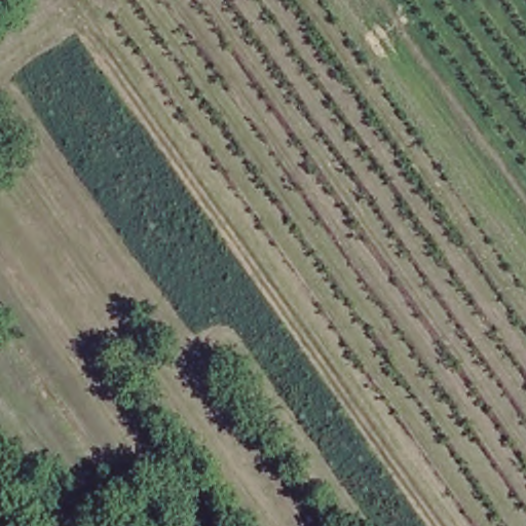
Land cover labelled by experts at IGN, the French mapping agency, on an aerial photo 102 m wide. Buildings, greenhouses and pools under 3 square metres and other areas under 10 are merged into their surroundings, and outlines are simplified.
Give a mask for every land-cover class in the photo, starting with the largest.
<instances>
[{"label":"herbaceous vegetation","instance_id":"1","mask_svg":"<svg viewBox=\"0 0 526 526\"><path fill-rule=\"evenodd\" d=\"M146 14L152 18V25H156L158 33L166 41L168 49L185 62L187 74L201 90V95L193 101L191 92L185 88V82L179 76V68L166 55H162V47L152 41L148 27L144 25V21L138 18L134 8L129 6V0H37L35 10L29 14V25L21 31H8L0 45V90H4L10 99L12 117H23L27 125L33 129L31 164L25 168L12 166L14 187L0 189V304L10 306V310L18 314L16 329L25 333V337L10 339L4 347H0V429L4 438H21L27 454L45 448L49 454H60L62 464L74 471V489L66 487L60 491L58 518H74L76 510L84 503L88 491L107 487L99 477V464H109L115 477H129L136 471L134 464L146 458L144 450L152 442V434L150 427L142 423L138 411L127 409L123 405L115 407L111 403L117 392L105 384V368L97 366V355L109 343H115L119 339L134 341L146 331L144 327L132 325V306L134 300H148L154 306L152 321L171 327L175 337L183 343V351L177 360V366H154L152 376L158 380L162 392L160 407L171 413H177L179 421L187 429L195 431V446H205L212 452V462L220 468L222 483L234 487L238 505L251 510L257 516L259 526H323L318 510L308 503V495H312L318 489L316 481H325L329 485V489L337 497V508L351 512L355 518L364 520L366 512L353 501L347 489L341 485L333 468L323 458L321 450L316 448V444L296 423L294 413L288 407L286 411H279L275 417L286 431H292V436L296 438V454H308V464L304 466V471L312 481L308 483L288 485L281 489L279 481H275V477L279 475V460L275 456L269 458L265 454L261 438L255 436L240 446L236 438L228 434L234 427L236 419L222 407H218L214 397L210 395L208 368L214 355L212 345H232V349L240 355H245L249 349L242 337L226 325H214L201 331H191L181 321L168 298L150 279L144 267L138 263V259L132 257L123 238L113 230L101 205L92 199L88 189L76 177L74 168L68 164L66 156L53 142L51 134L39 119V115L33 111L27 95L12 80L16 72H21V68L43 55L45 51L62 45L66 39L74 37L80 41L84 37L95 39L103 53H107L115 68L125 76L129 86L140 95L142 103L149 109L184 159L185 166L197 179L203 193L214 201L218 214L224 216L226 226L232 228L238 242L245 247L247 255H251V259L263 271L269 286L277 292L279 300L292 314V321L304 335H311L314 338L449 526H526V382H522V376L503 358V353L495 349L493 341L485 337V331L489 329L503 337L505 345L526 368V134L520 129L510 109L503 107V101L512 97V101L520 107V111L526 117V90L520 82V76L503 60L497 43L489 41V37L485 35L483 27L479 25V18H489L491 27L499 33L501 39H505V45L512 49V53L520 60L522 68L526 70V41L505 18V12L501 10L497 0H300L312 25L327 39L331 51L339 58L337 66H331L327 70L325 64H321L314 58V49L304 43L294 12L286 10L279 0H232L242 12V16L249 21L253 33L263 41L271 58L286 74V78L294 84L296 92L306 103L304 109L298 111L296 105L286 103V90L277 88V82L269 76L259 51L253 45L245 43L242 31L238 23H234V16L222 10V0H199L218 21V27L224 31L226 41L236 47L234 53H228L220 47L218 37L212 33L203 16L191 8V0H138ZM454 21L460 23L464 33L481 51L483 60L497 74L499 82L508 86L505 95L497 97V90L483 82L477 62L473 60L464 43L456 37V33L448 27ZM177 25H185L189 29L193 39L199 41L203 49L212 55L210 62L203 64L197 51L187 45L185 37L175 35L171 31ZM374 27H382L388 35L380 41L384 58L374 55L370 45L366 43V35ZM343 31H347L349 39L358 45L360 51H368V60L364 64H358L351 51L343 45ZM294 49L304 58V62L314 70L318 80L327 86V95L321 97V92L310 86L304 74H300L298 66L288 55V51ZM452 58L460 62L471 86L489 107V117H481L477 105L466 97L464 88L458 84L456 72L450 66ZM214 66H218V70L224 74L230 90H222L218 82L208 80V70ZM343 68L349 72L360 92L366 97L368 105H372L376 115L384 121L388 134L397 140L399 148L405 152V156L411 158L413 168L423 177V185L411 189V185L401 177L399 166L403 164V158L397 162L392 160L390 148L378 136H374L370 127V117H362L349 90L339 80H335L337 72H341ZM386 90L390 92L392 101L407 113V121H411V125L421 132V146H415L413 138L405 132L403 123L392 113L390 105L382 97V92ZM203 99H208L212 107L220 113V117L228 123V129L234 134L236 142L242 148L238 156H234L226 148V140L220 127L212 125L208 113L199 109L197 103ZM331 101L339 105L351 127L362 136V146L347 142L343 138V127L339 123H333V115L327 109ZM321 129H325L335 148L362 179L364 187L378 201L380 210L395 228L392 238L386 236L368 203L358 201L353 197L355 185L349 181L347 175L341 173L339 164L333 160L327 146L316 138V132ZM203 146H210L216 152L218 160L230 171L228 175L222 177L218 171H212L210 158L201 150ZM368 148L390 177L386 185H382V181L368 168L366 160H360V156ZM242 160H251L259 168L261 179L279 199L275 205L263 195L261 189H257L251 183V175L245 171ZM288 171L316 203L323 216L318 224L312 222V216L300 199V195L296 191H288L281 187L279 177ZM423 187L431 189L434 197L444 205L452 224L464 236L460 249L454 247L444 236L442 228L434 222V212L419 197ZM399 193L409 203L419 222L425 226V230L434 236L438 249L446 255L452 269L444 271L436 267L431 257L425 255L423 240L413 232L409 220L397 214L392 197ZM290 218L302 230L310 249H314L312 257L304 255L300 242L284 224ZM454 273H458L460 281L468 288L477 304L483 308L481 316L471 314V306L452 286H448V277ZM362 275L388 304V310L392 312L388 318L382 316L380 308L368 300V294L358 284V277ZM366 323L378 335L380 343L388 349L392 364L411 384L413 392L405 395L401 386H397L388 376L382 374L380 355H374V345L370 339H366L362 329ZM401 329L407 331L415 347L421 351L425 364L436 372L440 384L458 403L460 415L468 419L462 427H458L450 419L448 405L431 392V382L419 376L417 362L409 358L407 345L397 337ZM436 339H442L448 351L460 362L458 368L450 370L438 362V353L434 347ZM475 345L493 366V374L487 376L481 366L473 364L468 349ZM471 384L477 386L481 397L495 411V415L503 423L501 429L495 431L487 415L479 407H475V401L466 395V386ZM460 466H468L473 475L479 479L483 493L495 508L493 512L485 514V508L473 497L471 485L458 471ZM263 397H267L271 405H279L284 401L273 388L267 374L261 376ZM201 526H218V512L214 510V491H203L197 495L195 516Z\"/></svg>","mask_w":526,"mask_h":526},{"label":"deciduous trees","instance_id":"2","mask_svg":"<svg viewBox=\"0 0 526 526\"><path fill-rule=\"evenodd\" d=\"M37 0H0V45L8 31H21L29 25V14L35 10ZM129 6L134 8L138 18L144 21V25L148 27L152 41L162 47V55H166L179 68V76L185 82V88L191 92L193 101L201 95V90L187 74L185 62L168 49L166 41L158 33L156 25H152V18L146 14L138 0H129ZM191 8L203 16L212 33L218 37L220 47L228 53H234L236 47L226 41L224 31L218 27V21L199 0H191ZM222 10L234 16V23H238L242 31L245 43L253 45L259 51L269 76L277 82V88L286 90V103L296 105L298 111L304 109L306 103L296 92L294 84L286 78V74L271 58L263 41L253 33L249 21L242 16V12L232 0H222ZM286 10L294 12L304 43L314 49V58L321 64H325L327 70L331 66H337L339 58L331 51L327 39L312 25L300 0H279ZM501 10L505 12V18L526 41V0H497ZM479 25L483 27L485 35L489 37V41L497 43L503 60L520 76V82L526 90V70L522 68L520 60L512 53V49L505 45V39H501L499 33L491 27L489 18H479ZM448 27L456 33V37L464 43L473 60L477 62L483 82L497 90V97L505 95L508 86L499 82L497 74L483 60L481 51L464 33L460 23L454 21ZM171 31L175 35L185 37L187 45L197 51L203 64L210 62L212 55L203 49L199 41L193 39L189 29L185 25H177ZM343 45L351 51L358 64H364L368 60V51H360L358 45L349 39L347 31H343ZM288 55L298 66L300 74H304L310 86L321 92V97L327 95V86L318 80L314 70L304 62V58L294 49L288 51ZM450 66L456 72L458 84L464 88L466 97L477 105L481 117H489V107L471 86L460 62L452 58ZM208 80L218 82L222 90H230L224 74L218 70V66H214L208 70ZM335 80H339L349 90L362 117H370V127L374 136H378L390 148L392 160L397 162L403 158V164L399 166L401 177L411 185V189L423 185V177L413 168L411 158L405 156V152L399 148L397 140L388 134L384 121L376 115L372 105H368L366 97L360 92L349 72L343 68L341 72H337ZM33 129L27 125L23 117H12L10 99L4 90H0V189L14 187L12 166L25 168L31 164ZM382 97L390 105L392 113L403 123L405 132L413 138L415 146H421V132L411 125V121H407V113L392 101L390 92L386 90L382 92ZM503 107L510 109L520 129L526 134V117L520 111V107L512 101V97L503 101ZM199 109L208 113L212 125L220 127L226 140V148L234 156H238L242 148L236 142L234 134L228 129V123L220 117V113L212 107L208 99H203L197 103ZM327 109L333 115V123H339L343 127V138L347 142L362 146V136L351 127L339 105L331 101ZM316 138L327 146L333 160L339 164L341 173L347 175L349 181L355 185L353 197L358 201L368 203L386 236L392 238L395 228L380 210L378 201L364 187L362 179L335 148L325 129H321L316 132ZM201 150L210 158L212 171H218L222 177L228 175L230 171L218 160L216 152L210 146H203ZM360 160H366L368 168L382 181V185H386L390 177L368 148L360 156ZM245 171L251 175V183L257 189H261L263 195L275 205L279 199L261 179L259 168L251 160H242ZM281 187L288 191H296L300 195V199L312 216V222L318 224L323 216L316 203L288 171L279 177ZM419 197L434 212V222L442 228L444 236L454 247L460 249L464 236L452 224L444 205L434 197L431 189L423 187ZM397 214L409 220L413 232L423 240L425 255L431 257L436 267L444 271L452 269L446 255L438 249L434 236L425 230V226L419 222L409 203L399 193L392 197ZM284 224L300 242L304 255L312 257L314 249H310L302 230L290 218ZM448 286H452L471 306V314L481 316L483 308L477 304L468 288L460 281L458 273H454L448 277ZM358 284L368 294V300L380 308L382 316L388 318L392 312L388 310V304L362 275L358 277ZM154 306L148 300H134L132 306V325L144 327L146 331L134 341L119 339L115 343H109L97 355V366L105 368V384L117 392L111 403L115 407L123 405L127 409L138 411L142 423L150 427L152 434V442L144 450L146 458L134 464L136 471L129 477H115L109 464H99V477L107 487L88 491L84 503L76 510L74 518H58L60 491L66 487L74 489V471L62 464L60 454H49L45 448L27 454L21 438H4L0 429V526H201L195 516L197 495L203 491H214V510L218 512V526H259L257 516L251 510L238 505L234 487L222 483L220 468L212 462V452L205 446H195V431L187 429L179 421L177 413H171L160 407L162 392L158 380L152 376L154 366H177V360L183 351V343L175 337L171 327L152 321ZM18 314L10 310V306L0 304V347H4L10 339L25 337V333L16 329ZM362 329L366 339H370L374 345V355H380L382 374L388 376L397 386H401L405 395L413 392L411 384L392 364L388 349L380 343L378 335L366 323ZM397 337L407 345L409 358L417 362L419 376L431 382V392L448 405L450 419L458 427H462L468 419L460 415L458 403L440 384L436 372L425 364L421 351L415 347L407 331L401 329ZM485 337L493 341L495 349L503 353V358L522 376V382H526V368L505 345L503 337L489 329L485 331ZM434 347L438 353V362L450 370L458 368L460 362L448 351L442 339H436ZM214 355L208 368L210 395L214 397L218 407H222L236 419L234 427L228 434L236 438L240 446L255 436L261 438L265 454L269 458L275 456L279 460V475L275 477V481H279L281 489L288 485L308 483L312 481L304 471V466L308 464V454H296V438L292 436V431H286L275 417L279 411H286L288 407L284 401L279 405H271L267 397H263L261 376L267 374L255 362L253 351L249 349L245 355H240L232 349V345H212ZM473 364L481 366L487 376L493 374V366L475 345L468 349ZM466 395L475 401V407H479L487 415L495 431L501 429L503 423L495 415V411L481 397L477 386L471 384L466 386ZM458 471L471 485L473 497L485 508V514L493 512L495 508L483 493L479 479L473 475L468 466H460ZM318 489L312 495H308V503L318 510L323 526H378L366 524L364 520L355 518L351 512L337 508V497L329 489V485L325 481H316Z\"/></svg>","mask_w":526,"mask_h":526},{"label":"agricultural land","instance_id":"3","mask_svg":"<svg viewBox=\"0 0 526 526\"><path fill-rule=\"evenodd\" d=\"M12 80L27 95L33 111L39 115V119L51 134L53 142L66 156L68 164L74 168L76 177L88 189L92 199L101 205L113 230L123 238L132 257L138 259V263L144 267L150 279L168 298L181 321L191 331H201L214 325H226L242 337L249 349L253 351L255 362L267 374L273 388L284 401L288 407L294 413L296 423L316 444V448L321 450L323 458L333 468L341 485L347 489L353 501L366 512L364 520L366 524L378 526H423L417 514L411 510L409 501L399 493L390 475L370 452L360 431L353 427L351 419L343 415L337 399L325 386L312 364L298 349L292 335L284 329L281 321L265 302L257 286L251 281V277L245 273L242 265L230 253L226 242L218 236L212 222L199 210L195 199L189 195L185 185L175 175V171L168 166L162 152L154 146L152 138L138 123L134 113L123 105L115 88L105 78V74L95 66L92 58L80 41L74 37L66 39L62 45L45 51L43 55L21 68V72H16Z\"/></svg>","mask_w":526,"mask_h":526},{"label":"pervious surface","instance_id":"4","mask_svg":"<svg viewBox=\"0 0 526 526\"><path fill-rule=\"evenodd\" d=\"M92 58L95 66L105 74V78L115 88L123 105L134 113L138 123L152 138L154 146L162 152L168 166L175 171V175L185 185L189 195L195 199L199 210L212 222L218 236L226 242L230 253L242 265L245 273L251 277V281L257 286L265 302L281 321L284 329L292 335L298 349L312 364L325 386L337 399L343 415L351 419L353 427L360 431L370 452L390 475L399 493L409 501L411 510L417 514L423 526H449L314 338L311 335H304L292 321V314L279 300L277 292L269 286L263 271L251 259V255H247L245 247L238 242L232 228L226 226L224 216L218 214L214 201L203 193L197 179L185 166L184 159L149 109L142 103L140 95L129 86L125 76L115 68L107 53H103L95 39L84 37L80 41Z\"/></svg>","mask_w":526,"mask_h":526},{"label":"bare soil","instance_id":"5","mask_svg":"<svg viewBox=\"0 0 526 526\"><path fill-rule=\"evenodd\" d=\"M388 35L382 27H374L366 35V43L370 45L374 55L384 58L380 41Z\"/></svg>","mask_w":526,"mask_h":526}]
</instances>
